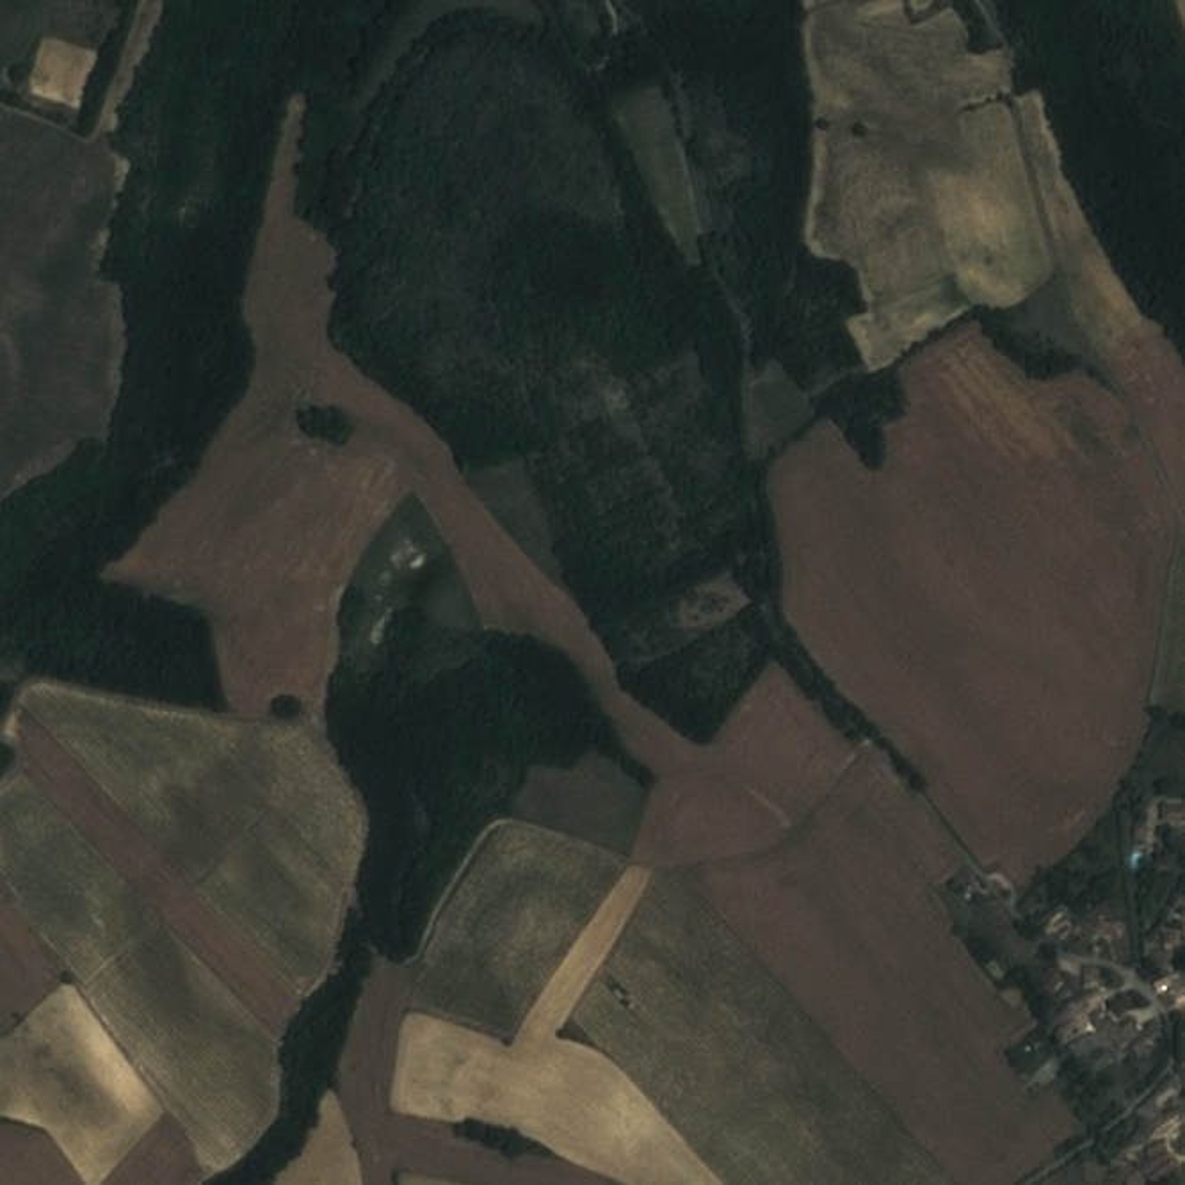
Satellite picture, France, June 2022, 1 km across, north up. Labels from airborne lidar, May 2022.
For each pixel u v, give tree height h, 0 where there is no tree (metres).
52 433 0
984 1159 0
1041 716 0
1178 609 0
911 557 0
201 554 0
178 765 0
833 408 7
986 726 0
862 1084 0
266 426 0
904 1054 0
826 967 0
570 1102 0
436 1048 0
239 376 19
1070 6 10
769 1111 0
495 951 0
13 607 15
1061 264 0
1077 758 0
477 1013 0
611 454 7
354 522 0
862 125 10
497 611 0
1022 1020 0
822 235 0
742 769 0
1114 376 0
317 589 0
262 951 0
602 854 0
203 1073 0
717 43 14
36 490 11
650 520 8
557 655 14
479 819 9
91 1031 0
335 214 16
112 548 25
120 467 13
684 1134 0
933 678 0
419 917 14
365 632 0
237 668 0
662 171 0
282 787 0
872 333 0
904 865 0
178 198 10
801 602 0
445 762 12
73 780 0
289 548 0
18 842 0
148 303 16
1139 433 16
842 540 0
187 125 9
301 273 0
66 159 0
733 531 8
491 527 0
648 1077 0
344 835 0
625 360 7
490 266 9
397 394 18
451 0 0
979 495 0
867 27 0
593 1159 0
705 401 6
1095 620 0
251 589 0
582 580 13
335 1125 0
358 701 12
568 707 17
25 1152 0
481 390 7
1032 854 0
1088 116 16
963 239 0
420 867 13
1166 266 18
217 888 0
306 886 0
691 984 0
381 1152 0
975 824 0
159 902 0
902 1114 0
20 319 0
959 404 0
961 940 6
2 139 0
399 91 6
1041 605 0
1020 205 0
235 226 10
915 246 0
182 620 15
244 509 0
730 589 0
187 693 13
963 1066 0
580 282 10
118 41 13
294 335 0
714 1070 0
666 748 0
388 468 0
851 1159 0
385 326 7
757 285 9
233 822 0
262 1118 0
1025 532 0
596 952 0
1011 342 11
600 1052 0
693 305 13
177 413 15
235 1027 0
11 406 0
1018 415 0
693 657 6
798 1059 0
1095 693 0
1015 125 0
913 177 0
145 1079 0
